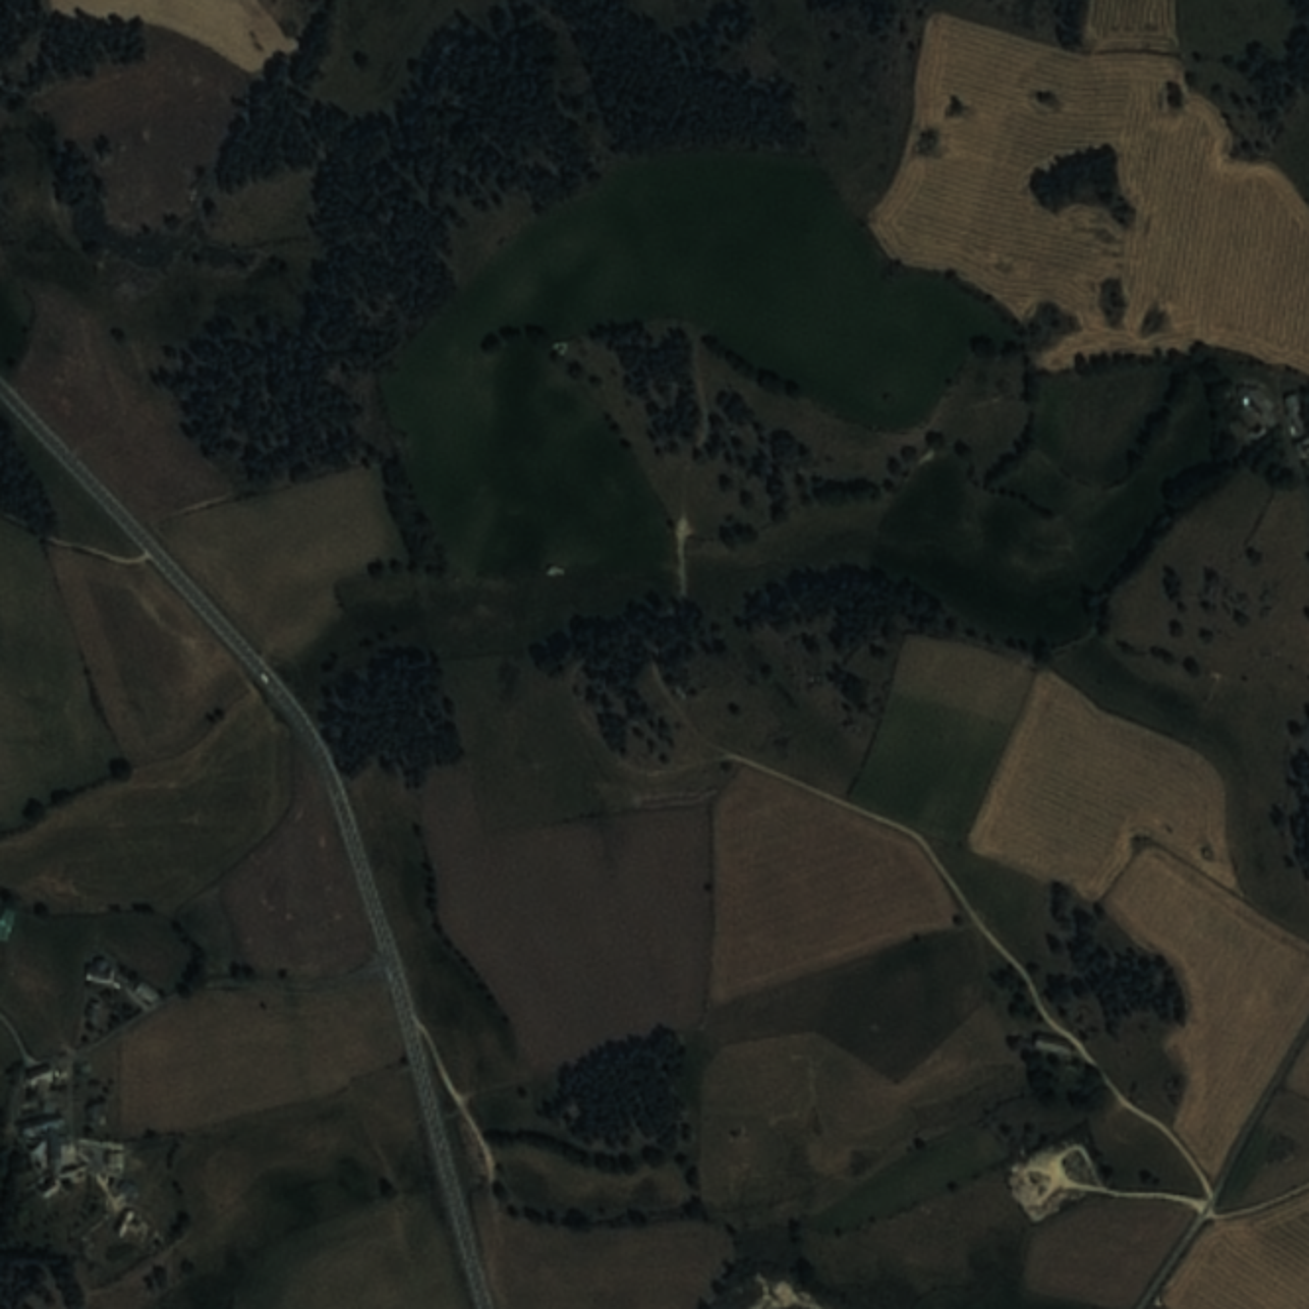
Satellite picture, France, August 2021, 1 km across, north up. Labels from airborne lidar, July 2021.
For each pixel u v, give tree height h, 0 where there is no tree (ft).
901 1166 0
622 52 70
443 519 0
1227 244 0
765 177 0
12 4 52
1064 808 0
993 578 0
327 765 0
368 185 67
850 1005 0
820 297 0
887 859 0
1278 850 0
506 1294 0
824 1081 0
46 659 0
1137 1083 0
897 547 0
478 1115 0
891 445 0
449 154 56
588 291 0
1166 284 0
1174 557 0
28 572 0
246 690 0
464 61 54
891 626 48
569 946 0
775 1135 0
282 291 0
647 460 0
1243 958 0
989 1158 0
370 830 0
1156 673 0
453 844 0
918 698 0
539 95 67
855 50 0
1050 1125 0
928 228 0
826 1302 0
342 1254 0
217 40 0
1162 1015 47
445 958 0
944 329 0
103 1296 0
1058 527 0
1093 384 0
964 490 0
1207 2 0
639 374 36
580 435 0
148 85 0
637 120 50
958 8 0
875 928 0
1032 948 0
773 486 50
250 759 0
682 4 0
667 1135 52
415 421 0
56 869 0
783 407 0
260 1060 0
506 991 0
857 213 0
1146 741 0
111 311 0
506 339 38
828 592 73
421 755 46
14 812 0
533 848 0
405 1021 0
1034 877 0
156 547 0
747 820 0
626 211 0
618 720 34
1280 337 0
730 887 0
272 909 0
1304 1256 0
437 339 0
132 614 0
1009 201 0
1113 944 0
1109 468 0
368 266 58
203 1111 0
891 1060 0
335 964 0
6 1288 39
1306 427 33
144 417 0
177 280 0
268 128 49
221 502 0
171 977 0
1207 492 46
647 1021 0
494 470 0
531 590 0
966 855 0
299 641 0
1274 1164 0
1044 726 0
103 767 0
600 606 0
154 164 0
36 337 0
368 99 0
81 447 0
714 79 43
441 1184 0
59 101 0
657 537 0
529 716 0
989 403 0
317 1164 0
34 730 0
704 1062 0
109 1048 0
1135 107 0
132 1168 0
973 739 0
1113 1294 0
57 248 0
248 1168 0
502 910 0
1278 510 0
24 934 0
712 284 0
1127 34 0
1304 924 0
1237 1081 0
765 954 0
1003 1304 0
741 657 0
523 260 0
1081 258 0
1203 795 0
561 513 0
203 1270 0
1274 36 0
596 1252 0
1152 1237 0
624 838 0
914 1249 0
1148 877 0
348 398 24
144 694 0
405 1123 0
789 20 0
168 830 0
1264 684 0
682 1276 0
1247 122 0
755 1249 0
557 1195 0
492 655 0
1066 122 0
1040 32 0
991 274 0
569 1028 0
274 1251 0
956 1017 0
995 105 0
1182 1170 0
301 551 0
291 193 0
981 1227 0
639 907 0
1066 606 0
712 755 0
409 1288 0
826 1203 0
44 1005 0
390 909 0
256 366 48
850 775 0
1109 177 31
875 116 0
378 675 47
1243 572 0
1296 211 0
